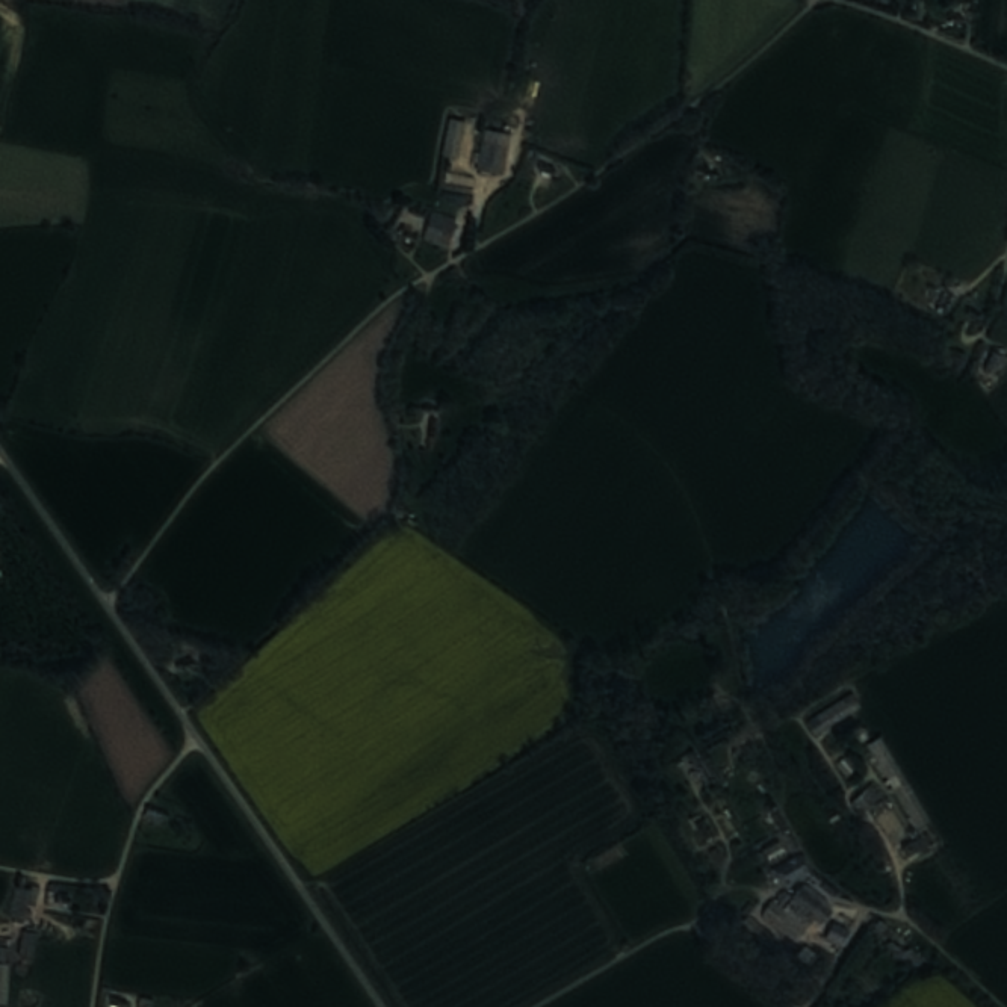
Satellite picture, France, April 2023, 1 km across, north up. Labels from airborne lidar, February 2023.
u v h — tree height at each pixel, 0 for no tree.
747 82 0
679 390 0
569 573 0
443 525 19
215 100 0
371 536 13
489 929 0
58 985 0
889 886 7
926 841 0
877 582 19
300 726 0
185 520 0
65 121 0
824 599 0
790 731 0
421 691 0
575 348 18
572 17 0
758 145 0
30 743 0
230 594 0
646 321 0
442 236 0
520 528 0
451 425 0
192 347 0
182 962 0
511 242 0
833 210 0
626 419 0
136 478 0
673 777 0
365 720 0
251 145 0
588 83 0
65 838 0
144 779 0
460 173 0
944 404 0
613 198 0
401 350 8
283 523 0
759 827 0
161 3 0
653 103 0
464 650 0
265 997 0
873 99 0
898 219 0
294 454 0
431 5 0
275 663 0
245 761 0
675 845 8
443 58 0
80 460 0
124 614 16
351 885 0
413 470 15
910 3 7
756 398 0
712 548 0
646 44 0
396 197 10
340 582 0
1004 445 0
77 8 7
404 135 0
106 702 0
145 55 0
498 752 0
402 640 0
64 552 0
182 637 14
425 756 0
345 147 0
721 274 0
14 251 0
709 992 0
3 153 0
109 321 0
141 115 0
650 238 0
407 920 0
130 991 0
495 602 0
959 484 38
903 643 19
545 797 0
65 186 0
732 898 0
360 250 0
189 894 0
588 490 0
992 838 0
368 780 0
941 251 0
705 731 12
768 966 27
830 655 23
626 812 0
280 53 0
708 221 0
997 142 0
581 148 0
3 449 0
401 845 0
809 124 0
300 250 0
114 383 0
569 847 0
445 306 0
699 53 0
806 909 0
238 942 0
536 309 16
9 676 0
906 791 0
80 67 0
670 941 0
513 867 0
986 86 0
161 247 0
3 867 0
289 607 15
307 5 0
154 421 0
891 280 0
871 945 8
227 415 0
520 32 10
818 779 17
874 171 0
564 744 0
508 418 16
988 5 0
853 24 0
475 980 0
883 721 0
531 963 0
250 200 0
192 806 0
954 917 0
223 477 0
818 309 19
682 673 0
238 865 0
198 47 0
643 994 0
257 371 0
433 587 0
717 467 0
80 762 0
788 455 0
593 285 0
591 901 0
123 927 0
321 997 0
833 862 0
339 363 0
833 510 21
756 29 0
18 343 0
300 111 0
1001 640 0
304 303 0
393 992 0
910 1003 0
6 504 18
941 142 0
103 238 0
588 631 0
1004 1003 0
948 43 0
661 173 0
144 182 0
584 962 0
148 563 0
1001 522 19
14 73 0
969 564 18
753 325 0
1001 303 10
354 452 0
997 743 0
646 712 21
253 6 0
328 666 0
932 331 19
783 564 17
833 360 22
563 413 0
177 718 0
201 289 0
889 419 14
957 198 0
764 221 0
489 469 18
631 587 0
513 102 0
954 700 0
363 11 0
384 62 0
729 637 12
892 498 17
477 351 17
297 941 0
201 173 0
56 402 0
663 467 0
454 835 0
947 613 22
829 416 0
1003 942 0
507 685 0
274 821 0
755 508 0
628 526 0
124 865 0
